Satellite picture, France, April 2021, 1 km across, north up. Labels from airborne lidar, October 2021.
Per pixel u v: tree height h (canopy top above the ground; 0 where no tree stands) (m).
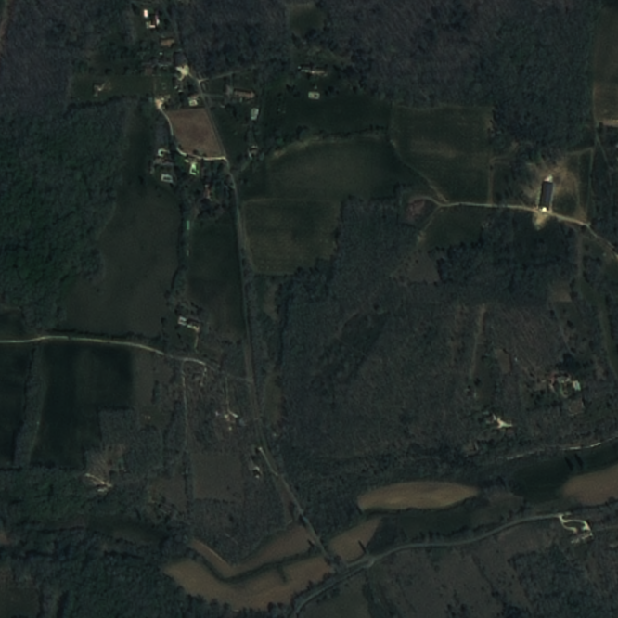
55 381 0
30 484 28
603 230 16
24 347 0
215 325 0
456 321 13
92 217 22
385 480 7
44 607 18
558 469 0
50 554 8
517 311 20
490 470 9
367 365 12
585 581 13
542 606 16
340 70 5
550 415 9
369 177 0
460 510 0
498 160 0
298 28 0
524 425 16
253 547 19
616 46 0
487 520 0
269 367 15
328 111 0
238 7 13
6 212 24
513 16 15
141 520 33
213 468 0
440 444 15
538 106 24
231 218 7
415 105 20
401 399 15
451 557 0
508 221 18
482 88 15
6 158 24
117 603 24
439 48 21
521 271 16
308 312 21
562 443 18
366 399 12
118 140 22
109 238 0
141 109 18
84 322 0
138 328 0
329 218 0
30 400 11
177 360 12
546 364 16
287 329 17
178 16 20
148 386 0
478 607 0
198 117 0
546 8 15
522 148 0
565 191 0
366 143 0
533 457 7
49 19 17
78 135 25
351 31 20
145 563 14
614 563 7
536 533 0
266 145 11
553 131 19
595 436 6
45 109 19
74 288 0
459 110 0
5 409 0
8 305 15
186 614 17
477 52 16
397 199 11
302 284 22
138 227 0
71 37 14
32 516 23
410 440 13
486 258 21
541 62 20
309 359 16
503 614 8
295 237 0
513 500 0
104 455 14
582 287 0
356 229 17
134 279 0
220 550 16
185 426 13
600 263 10
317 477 6
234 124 0
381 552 0
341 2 18
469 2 18
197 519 11
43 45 21
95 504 18
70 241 22
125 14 14
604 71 0
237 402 13
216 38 22
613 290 19
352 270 18
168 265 0
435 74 21
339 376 12
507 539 0
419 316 10
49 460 0
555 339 18
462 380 19
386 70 16
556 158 16
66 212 21
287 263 0
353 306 13
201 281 0
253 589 0
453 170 0
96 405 0
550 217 10
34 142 23
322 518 18
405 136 0
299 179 0
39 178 21
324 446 15
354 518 32
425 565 0
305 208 0
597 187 6
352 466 11
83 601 28
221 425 12
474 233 0
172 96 0
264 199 0
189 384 11
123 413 15
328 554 7
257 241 0
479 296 20
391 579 0
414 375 13
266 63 12
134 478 20
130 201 0
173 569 0
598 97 0
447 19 25
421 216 0
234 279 0
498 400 14
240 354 17
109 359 0
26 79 23
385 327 11
